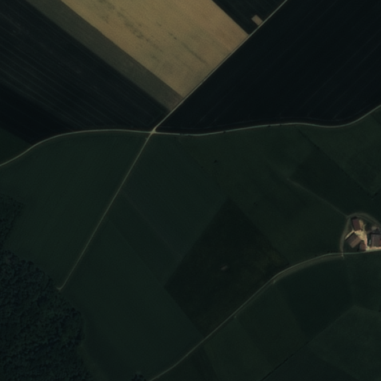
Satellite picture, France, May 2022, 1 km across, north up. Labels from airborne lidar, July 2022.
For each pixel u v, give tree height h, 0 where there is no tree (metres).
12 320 26
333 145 0
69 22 0
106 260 0
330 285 0
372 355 0
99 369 0
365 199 0
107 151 0
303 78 0
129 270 0
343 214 0
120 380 0
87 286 0
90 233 0
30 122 0
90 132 0
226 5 0
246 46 0
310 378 0
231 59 0
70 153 0
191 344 0
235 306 0
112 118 0
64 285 0
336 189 0
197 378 0
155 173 0
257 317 0
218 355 0
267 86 0
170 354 0
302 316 0
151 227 0
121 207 0
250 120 0
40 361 29
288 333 0
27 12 0
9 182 0
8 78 0
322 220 0
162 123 0
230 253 0
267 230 0
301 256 0
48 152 0
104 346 0
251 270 0
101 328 0
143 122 0
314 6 0
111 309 0
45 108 0
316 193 0
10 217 9
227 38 0
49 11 0
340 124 0
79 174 0
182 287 0
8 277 23
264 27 0
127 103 0
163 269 0
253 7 0
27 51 0
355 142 0
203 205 0
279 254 0
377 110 0
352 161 0
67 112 0
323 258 0
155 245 0
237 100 0
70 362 26
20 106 0
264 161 0
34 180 0
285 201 0
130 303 0
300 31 0
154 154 0
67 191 0
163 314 0
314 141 0
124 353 0
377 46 0
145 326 0
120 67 0
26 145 0
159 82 0
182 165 0
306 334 0
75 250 0
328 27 0
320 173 0
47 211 0
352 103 0
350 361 0
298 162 0
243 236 0
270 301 0
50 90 0
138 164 0
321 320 0
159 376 0
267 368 0
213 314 0
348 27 0
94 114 0
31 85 0
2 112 0
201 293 0
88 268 0
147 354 0
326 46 0
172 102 0
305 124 0
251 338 0
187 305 0
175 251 0
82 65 0
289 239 0
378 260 0
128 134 0
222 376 0
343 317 0
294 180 0
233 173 0
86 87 0
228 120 0
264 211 0
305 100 0
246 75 0
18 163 0
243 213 0
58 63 0
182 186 0
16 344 26
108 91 0
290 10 0
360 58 0
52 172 0
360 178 0
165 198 0
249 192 0
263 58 0
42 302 32
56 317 23
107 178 0
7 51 0
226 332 0
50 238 0
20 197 0
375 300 0
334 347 0
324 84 0
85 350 0
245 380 0
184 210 0
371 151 0
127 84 0
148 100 0
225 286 0
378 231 0
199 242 0
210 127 0
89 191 0
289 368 0
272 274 0
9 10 0
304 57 0
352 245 0
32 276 21
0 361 14
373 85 0
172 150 0
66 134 0
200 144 0
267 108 0
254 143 0
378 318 0
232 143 0
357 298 0
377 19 0
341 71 0
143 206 0
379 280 0
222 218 0
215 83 0
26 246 0
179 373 0
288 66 0
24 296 24
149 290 0
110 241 0
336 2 0
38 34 0
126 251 0
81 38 0
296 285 0
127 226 0
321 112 0
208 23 0
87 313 0
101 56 0
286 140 0
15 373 27
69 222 0
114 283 0
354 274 0
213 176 0
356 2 0
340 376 0
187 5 0
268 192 0
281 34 0
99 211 0
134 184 0
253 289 0
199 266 0
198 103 0
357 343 0
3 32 0
